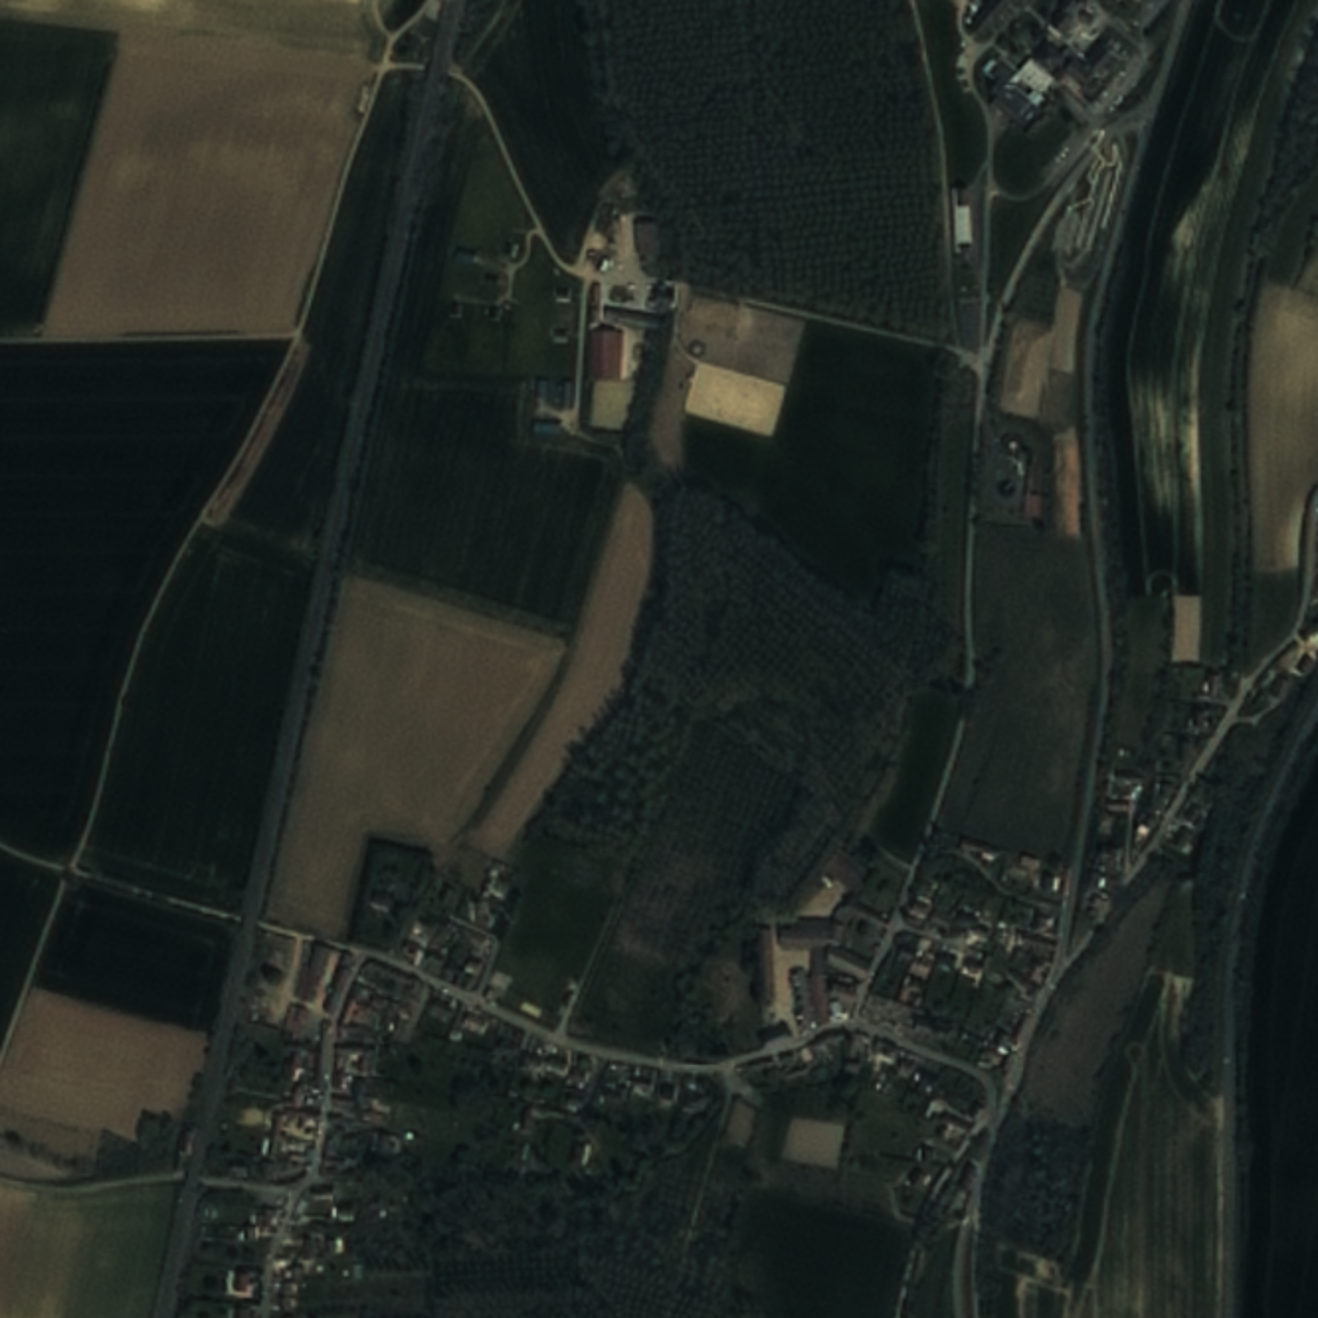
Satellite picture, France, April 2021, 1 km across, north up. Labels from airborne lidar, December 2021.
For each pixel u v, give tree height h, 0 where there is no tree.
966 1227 0
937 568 9
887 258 26
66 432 0
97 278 0
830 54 29
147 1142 13
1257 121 0
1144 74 0
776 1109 0
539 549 0
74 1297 0
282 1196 0
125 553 0
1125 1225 0
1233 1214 0
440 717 0
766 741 6
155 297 0
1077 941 0
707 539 37
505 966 0
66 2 0
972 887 10
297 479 0
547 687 0
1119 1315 0
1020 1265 0
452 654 0
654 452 17
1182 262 0
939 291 25
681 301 0
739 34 28
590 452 0
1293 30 0
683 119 29
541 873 0
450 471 0
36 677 0
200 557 0
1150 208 0
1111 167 0
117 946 0
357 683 0
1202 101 0
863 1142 0
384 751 0
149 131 0
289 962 0
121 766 0
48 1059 0
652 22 31
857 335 0
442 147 14
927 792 0
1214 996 6
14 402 0
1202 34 0
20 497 0
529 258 0
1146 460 0
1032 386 0
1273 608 0
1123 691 12
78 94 0
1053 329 0
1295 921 0
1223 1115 0
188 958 0
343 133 0
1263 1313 0
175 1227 0
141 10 0
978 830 0
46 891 0
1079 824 0
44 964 0
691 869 17
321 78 0
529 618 0
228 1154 9
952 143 0
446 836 0
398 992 9
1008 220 0
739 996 0
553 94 0
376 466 0
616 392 0
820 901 0
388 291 0
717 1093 7
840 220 28
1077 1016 0
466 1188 25
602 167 0
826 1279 0
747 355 0
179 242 0
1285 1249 0
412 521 0
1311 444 0
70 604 0
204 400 0
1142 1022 0
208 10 0
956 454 0
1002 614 0
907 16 26
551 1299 38
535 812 0
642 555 0
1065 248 0
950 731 0
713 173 29
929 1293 0
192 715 0
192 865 0
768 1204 0
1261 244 8
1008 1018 0
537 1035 0
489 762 0
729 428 0
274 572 0
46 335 0
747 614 39
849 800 38
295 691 0
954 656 28
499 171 0
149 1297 0
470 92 0
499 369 0
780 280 23
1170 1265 0
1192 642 0
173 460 0
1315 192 0
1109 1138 0
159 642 0
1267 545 0
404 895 0
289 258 0
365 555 0
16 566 0
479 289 0
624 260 0
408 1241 0
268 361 0
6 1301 0
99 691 0
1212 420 0
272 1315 0
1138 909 0
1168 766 7
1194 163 0
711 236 32
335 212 0
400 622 0
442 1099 0
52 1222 0
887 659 36
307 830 0
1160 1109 0
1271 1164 0
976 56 0
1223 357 0
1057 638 0
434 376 0
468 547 0
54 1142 0
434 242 0
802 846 38
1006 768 0
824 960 0
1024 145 0
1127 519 0
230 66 0
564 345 0
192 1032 0
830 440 0
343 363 0
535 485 0
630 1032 0
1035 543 0
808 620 39
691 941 16
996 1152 7
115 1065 0
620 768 0
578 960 0
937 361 15
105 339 0
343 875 0
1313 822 0
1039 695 0
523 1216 9
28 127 0
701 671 38
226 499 0
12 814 0
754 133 31
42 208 0
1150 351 0
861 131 27
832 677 37
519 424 0
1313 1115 0
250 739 0
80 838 0
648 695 0
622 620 0
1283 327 0
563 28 0
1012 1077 0
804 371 0
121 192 0
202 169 0
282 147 0
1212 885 7
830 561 0
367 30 0
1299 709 12
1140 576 0
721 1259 25
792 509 0
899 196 28
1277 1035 0
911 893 6
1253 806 10
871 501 0
